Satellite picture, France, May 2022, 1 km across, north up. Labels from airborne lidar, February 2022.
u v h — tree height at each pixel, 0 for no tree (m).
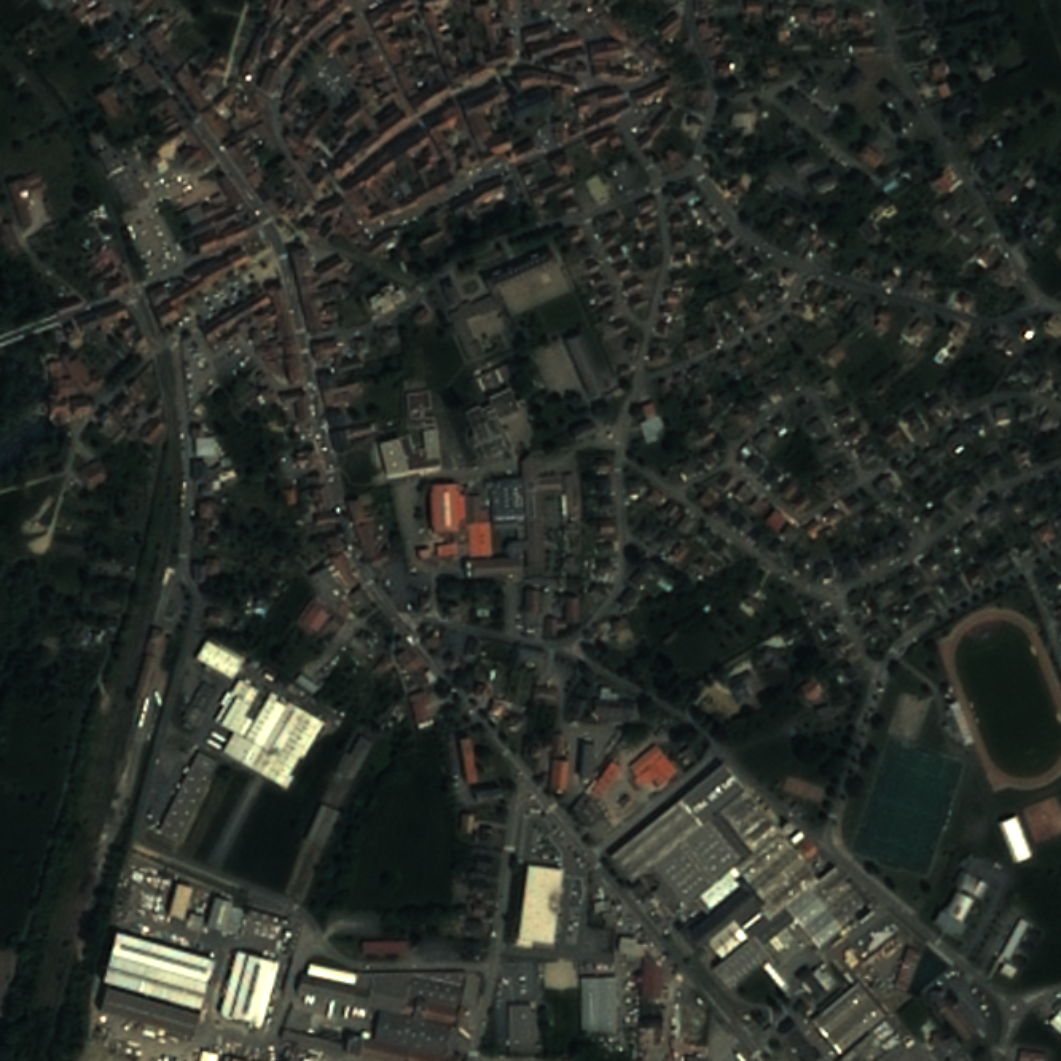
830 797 9
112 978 0
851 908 0
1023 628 0
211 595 14
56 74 0
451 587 14
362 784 0
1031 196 19
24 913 0
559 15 0
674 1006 0
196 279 0
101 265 0
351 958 0
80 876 0
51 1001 0
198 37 0
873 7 0
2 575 9
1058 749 0
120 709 0
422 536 0
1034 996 0
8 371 12
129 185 0
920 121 0
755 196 7
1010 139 12
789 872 0
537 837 0
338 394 0
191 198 0
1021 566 0
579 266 0
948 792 0
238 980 0
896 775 0
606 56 0
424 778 0
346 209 0
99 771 0
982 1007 0
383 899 0
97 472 0
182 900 0
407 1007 0
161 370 0
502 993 0
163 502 0
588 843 8
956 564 0
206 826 0
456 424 0
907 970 0
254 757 0
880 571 0
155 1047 0
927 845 0
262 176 0
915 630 0
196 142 0
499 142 0
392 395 0
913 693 0
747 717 13
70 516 0
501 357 0
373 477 0
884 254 12
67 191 0
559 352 0
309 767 0
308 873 0
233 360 0
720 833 0
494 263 0
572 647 0
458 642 0
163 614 0
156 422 0
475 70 0
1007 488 0
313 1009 0
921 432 0
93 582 7
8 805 0
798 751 17
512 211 19
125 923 0
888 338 0
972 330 0
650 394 0
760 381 0
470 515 0
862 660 0
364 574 0
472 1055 0
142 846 0
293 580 0
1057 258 0
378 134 0
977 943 0
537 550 0
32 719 0
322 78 0
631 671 15
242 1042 0
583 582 0
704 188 0
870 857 0
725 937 0
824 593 0
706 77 0
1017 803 0
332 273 0
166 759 0
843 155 0
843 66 0
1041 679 0
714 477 0
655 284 0
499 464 0
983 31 7
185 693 0
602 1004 0
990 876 0
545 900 0
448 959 0
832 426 0
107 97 0
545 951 0
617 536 0
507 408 0
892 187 0
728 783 0
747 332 0
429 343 0
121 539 0
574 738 0
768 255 0
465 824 0
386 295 0
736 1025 0
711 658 0
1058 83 0
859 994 0
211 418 0
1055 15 0
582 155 0
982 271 9
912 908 0
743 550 0
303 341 0
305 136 0
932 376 0
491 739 0
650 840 0
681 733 14
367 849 0
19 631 5
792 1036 0
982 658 0
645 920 0
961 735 0
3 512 0
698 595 7
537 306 0
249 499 0
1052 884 0
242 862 0
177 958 0
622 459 0
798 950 0
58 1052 17
